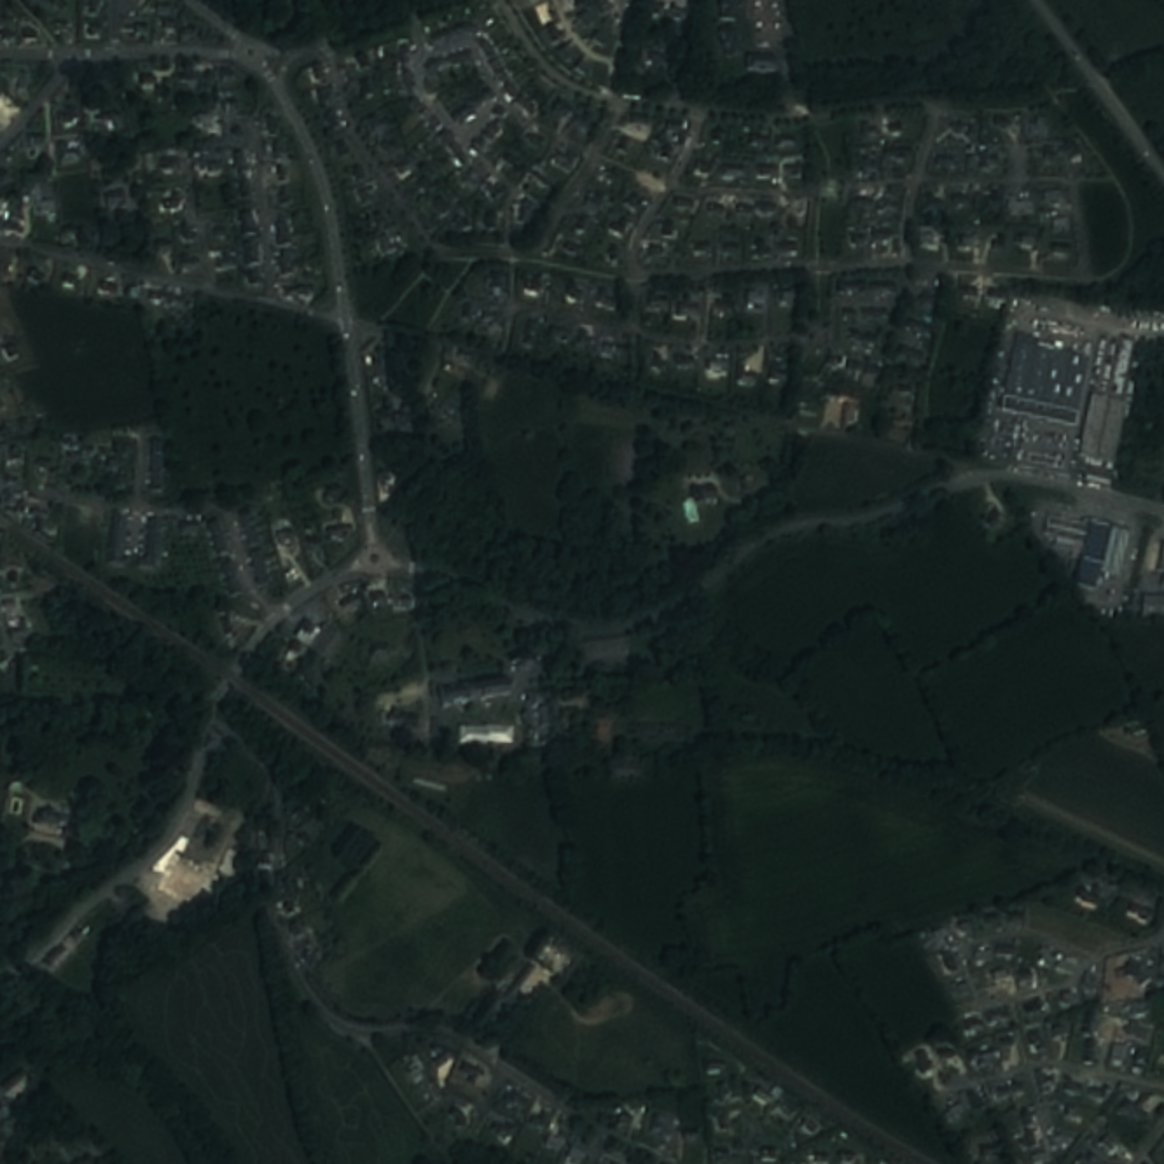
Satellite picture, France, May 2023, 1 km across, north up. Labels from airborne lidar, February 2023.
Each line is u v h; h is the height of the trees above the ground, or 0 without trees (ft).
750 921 0
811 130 27
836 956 44
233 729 34
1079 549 0
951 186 0
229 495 53
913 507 78
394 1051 0
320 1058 0
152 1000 0
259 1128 0
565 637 89
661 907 0
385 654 0
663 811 0
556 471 0
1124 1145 0
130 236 59
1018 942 0
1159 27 0
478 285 0
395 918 0
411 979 0
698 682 44
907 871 0
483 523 68
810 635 0
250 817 31
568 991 34
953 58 49
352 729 21
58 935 0
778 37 0
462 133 0
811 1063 0
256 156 0
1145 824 0
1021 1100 0
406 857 0
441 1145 28
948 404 0
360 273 25
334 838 0
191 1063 0
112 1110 0
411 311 0
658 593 74
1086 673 0
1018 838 68
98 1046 60
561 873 37
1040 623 0
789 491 32
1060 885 28
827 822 0
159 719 42
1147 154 0
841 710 0
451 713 0
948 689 0
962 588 0
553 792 41
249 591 0
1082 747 0
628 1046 0
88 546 0
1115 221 0
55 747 93
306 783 60
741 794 0
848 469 0
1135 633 0
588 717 30
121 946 70
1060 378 0
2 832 60
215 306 30
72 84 53
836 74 46
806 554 0
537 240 36
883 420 39
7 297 0
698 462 0
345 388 31
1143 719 33
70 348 0
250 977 0
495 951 20
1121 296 37
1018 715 0
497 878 0
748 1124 0
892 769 33
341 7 54
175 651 26
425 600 75
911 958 0
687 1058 0
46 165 44
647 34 32
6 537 23
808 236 0
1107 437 0
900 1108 0
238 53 0
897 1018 0
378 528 0
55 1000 48
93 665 31
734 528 69
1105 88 0
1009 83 35
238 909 38
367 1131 0
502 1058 34
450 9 40
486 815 0
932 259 0
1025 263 0
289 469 45
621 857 0
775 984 0
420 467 57
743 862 0
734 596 0
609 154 0
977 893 0
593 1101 48
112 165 24
